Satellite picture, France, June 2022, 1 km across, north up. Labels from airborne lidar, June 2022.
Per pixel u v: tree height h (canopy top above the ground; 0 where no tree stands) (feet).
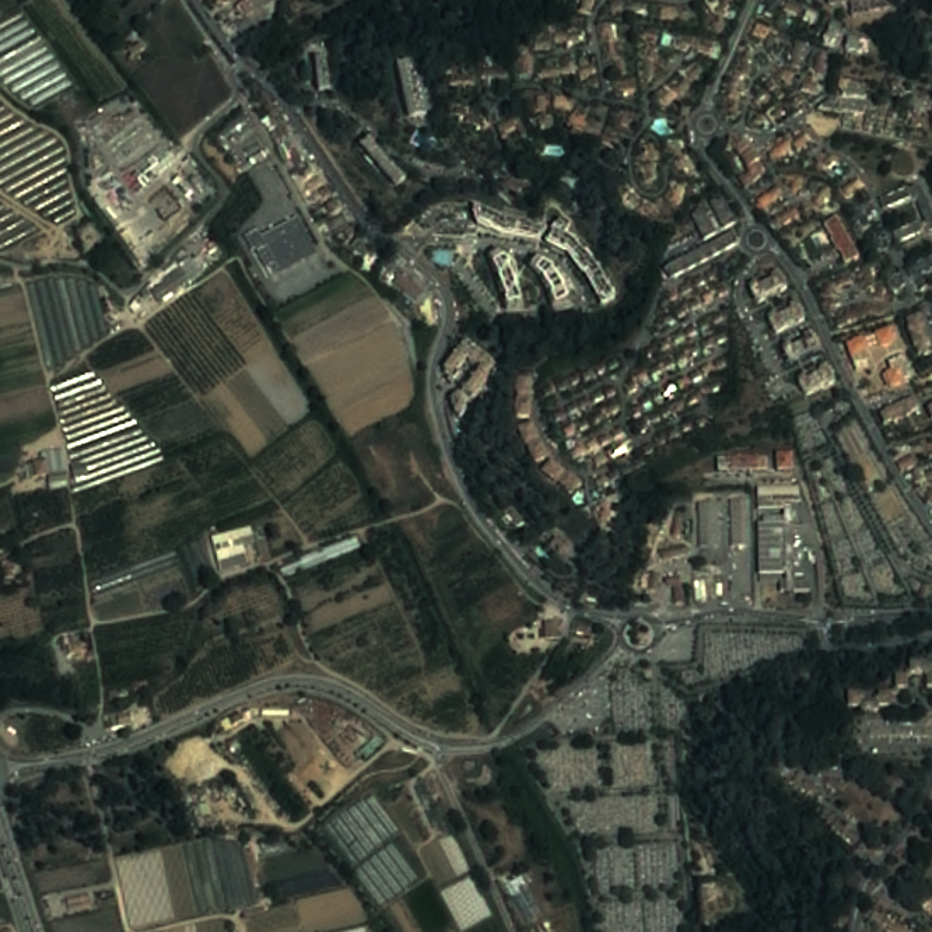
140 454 0
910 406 0
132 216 0
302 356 0
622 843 39
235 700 0
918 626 46
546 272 0
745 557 0
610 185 84
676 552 0
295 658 0
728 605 0
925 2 55
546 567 57
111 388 0
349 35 40
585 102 24
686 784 55
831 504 0
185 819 60
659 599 0
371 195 31
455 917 0
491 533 0
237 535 0
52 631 17
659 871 0
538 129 28
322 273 0
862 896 40
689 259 0
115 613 0
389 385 0
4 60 0
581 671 19
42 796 87
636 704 0
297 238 0
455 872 0
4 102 0
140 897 0
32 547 27
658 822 32
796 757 77
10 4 0
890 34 52
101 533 19
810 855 91
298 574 27
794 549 0
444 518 0
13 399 0
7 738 0
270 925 0
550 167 38
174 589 0
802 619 0
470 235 0
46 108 0
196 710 0
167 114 0
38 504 19
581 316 69
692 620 0
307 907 0
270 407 0
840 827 0
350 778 0
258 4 0
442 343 0
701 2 19
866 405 0
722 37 17
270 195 0
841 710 68
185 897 0
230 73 0
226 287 0
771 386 0
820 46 30
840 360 0
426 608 19
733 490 25
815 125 0
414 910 0
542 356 68
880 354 0
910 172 0
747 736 80
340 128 73
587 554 78
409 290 0
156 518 0
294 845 33
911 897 78
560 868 18
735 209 38
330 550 0
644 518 90
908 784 68
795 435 24
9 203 0
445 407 0
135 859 0
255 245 0
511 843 0
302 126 0
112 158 0
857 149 17
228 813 0
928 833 59
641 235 68
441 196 51
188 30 0
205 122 0
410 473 0
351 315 0
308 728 0
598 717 0
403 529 0
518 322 67
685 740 35
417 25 64
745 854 40
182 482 36
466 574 19
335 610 0
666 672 22
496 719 0
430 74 78
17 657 25
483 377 0
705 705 78
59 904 0
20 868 0
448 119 32
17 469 0
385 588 0
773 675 64
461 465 38
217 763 0
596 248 25
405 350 0
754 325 0
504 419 80
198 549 0
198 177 0
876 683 20
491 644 0
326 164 0
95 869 0
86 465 0
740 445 19
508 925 0
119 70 23
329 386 0
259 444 0
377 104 54
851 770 83
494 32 71
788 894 77
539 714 0
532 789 18
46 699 24
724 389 37
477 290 0
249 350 0
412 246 0
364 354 0
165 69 0
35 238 0
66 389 0
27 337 0
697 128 0
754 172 0
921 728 0
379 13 66
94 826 94
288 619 47
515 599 0
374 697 0
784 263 0
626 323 60
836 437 29
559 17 53
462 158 21
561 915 0
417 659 0
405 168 54
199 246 0
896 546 38
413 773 27
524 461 65
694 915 48
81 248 45
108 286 20
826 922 51
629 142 43
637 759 0
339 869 21
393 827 0
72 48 0
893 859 31
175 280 0
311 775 0
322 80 0
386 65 64
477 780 0
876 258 69
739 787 74
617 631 0
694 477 0
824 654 51
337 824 0
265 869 0
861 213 0
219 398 0
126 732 44
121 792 90
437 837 0
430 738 0
